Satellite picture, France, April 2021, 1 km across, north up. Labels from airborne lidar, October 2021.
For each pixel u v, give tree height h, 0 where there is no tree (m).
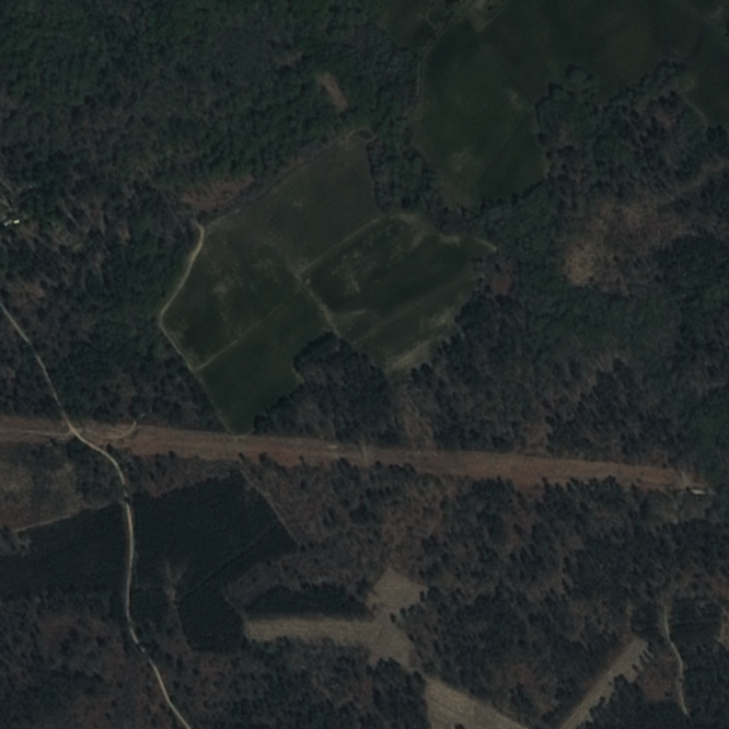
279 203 0
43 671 22
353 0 15
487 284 10
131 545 0
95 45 22
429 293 0
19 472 0
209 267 0
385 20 0
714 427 23
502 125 0
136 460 0
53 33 16
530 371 18
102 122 6
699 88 0
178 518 12
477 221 18
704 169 25
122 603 17
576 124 22
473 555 24
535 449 7
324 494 10
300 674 11
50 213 20
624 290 14
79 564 7
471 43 0
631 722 20
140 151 16
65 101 21
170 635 12
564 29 0
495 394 19
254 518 10
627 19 0
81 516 7
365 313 0
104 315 13
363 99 24
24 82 19
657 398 19
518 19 0
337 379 10
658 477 0
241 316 0
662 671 12
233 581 12
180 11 22
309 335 0
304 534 8
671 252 11
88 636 15
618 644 17
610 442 14
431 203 6
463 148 0
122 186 15
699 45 0
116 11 22
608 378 14
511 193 0
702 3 0
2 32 22
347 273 0
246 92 11
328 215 0
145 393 18
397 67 18
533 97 0
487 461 0
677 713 20
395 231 0
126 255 14
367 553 9
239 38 13
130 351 20
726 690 21
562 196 20
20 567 7
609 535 15
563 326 22
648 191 20
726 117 0
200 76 14
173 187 20
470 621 25
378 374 17
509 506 8
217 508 12
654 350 15
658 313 16
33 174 12
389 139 19
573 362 15
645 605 19
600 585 20
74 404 18
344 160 0
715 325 8
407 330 0
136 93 8
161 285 19
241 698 18
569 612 22
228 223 0
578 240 20
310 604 19
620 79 0
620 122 19
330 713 20
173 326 0
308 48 21
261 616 17
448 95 0
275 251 0
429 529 14
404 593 0
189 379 24
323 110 18
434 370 11
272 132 17
